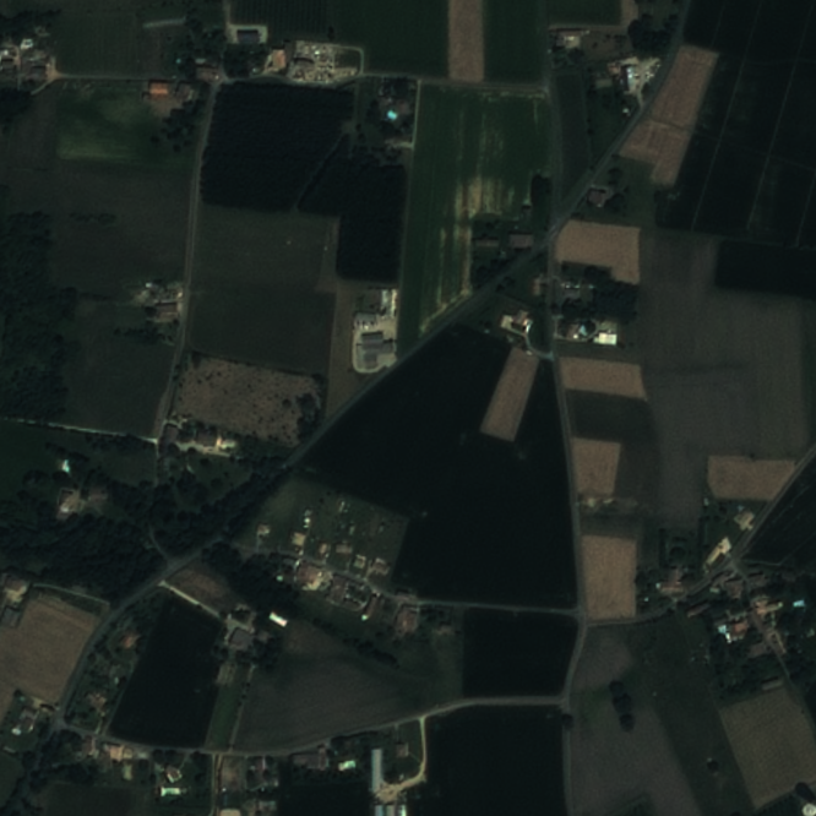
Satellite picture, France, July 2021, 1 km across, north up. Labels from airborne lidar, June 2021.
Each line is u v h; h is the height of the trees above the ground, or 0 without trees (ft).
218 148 36
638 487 0
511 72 0
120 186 0
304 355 0
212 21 0
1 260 24
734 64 0
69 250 0
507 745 0
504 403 0
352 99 41
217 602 0
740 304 0
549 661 0
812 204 0
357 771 19
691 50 0
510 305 0
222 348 0
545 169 0
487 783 0
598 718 0
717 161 0
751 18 0
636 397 0
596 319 20
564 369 0
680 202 0
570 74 0
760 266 0
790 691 0
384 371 0
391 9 0
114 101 0
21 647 0
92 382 0
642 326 0
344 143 31
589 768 0
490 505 0
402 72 0
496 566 0
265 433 0
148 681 0
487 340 0
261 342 0
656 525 0
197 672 0
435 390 0
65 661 0
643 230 0
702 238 0
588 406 0
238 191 51
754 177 0
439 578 0
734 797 0
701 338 0
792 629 24
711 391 0
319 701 0
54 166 0
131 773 0
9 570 27
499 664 0
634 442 0
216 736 0
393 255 48
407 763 0
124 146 0
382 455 0
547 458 0
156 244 0
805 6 0
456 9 0
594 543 0
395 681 0
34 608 0
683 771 0
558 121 0
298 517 0
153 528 21
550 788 0
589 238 0
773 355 0
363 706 0
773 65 0
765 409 0
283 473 49
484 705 0
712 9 0
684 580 28
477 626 0
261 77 0
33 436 0
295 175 56
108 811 0
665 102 0
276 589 41
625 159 0
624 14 0
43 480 69
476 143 0
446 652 0
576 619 0
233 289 0
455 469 0
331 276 0
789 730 0
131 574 46
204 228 0
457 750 0
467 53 0
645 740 0
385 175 49
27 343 28
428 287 0
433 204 0
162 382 0
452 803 0
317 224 0
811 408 0
